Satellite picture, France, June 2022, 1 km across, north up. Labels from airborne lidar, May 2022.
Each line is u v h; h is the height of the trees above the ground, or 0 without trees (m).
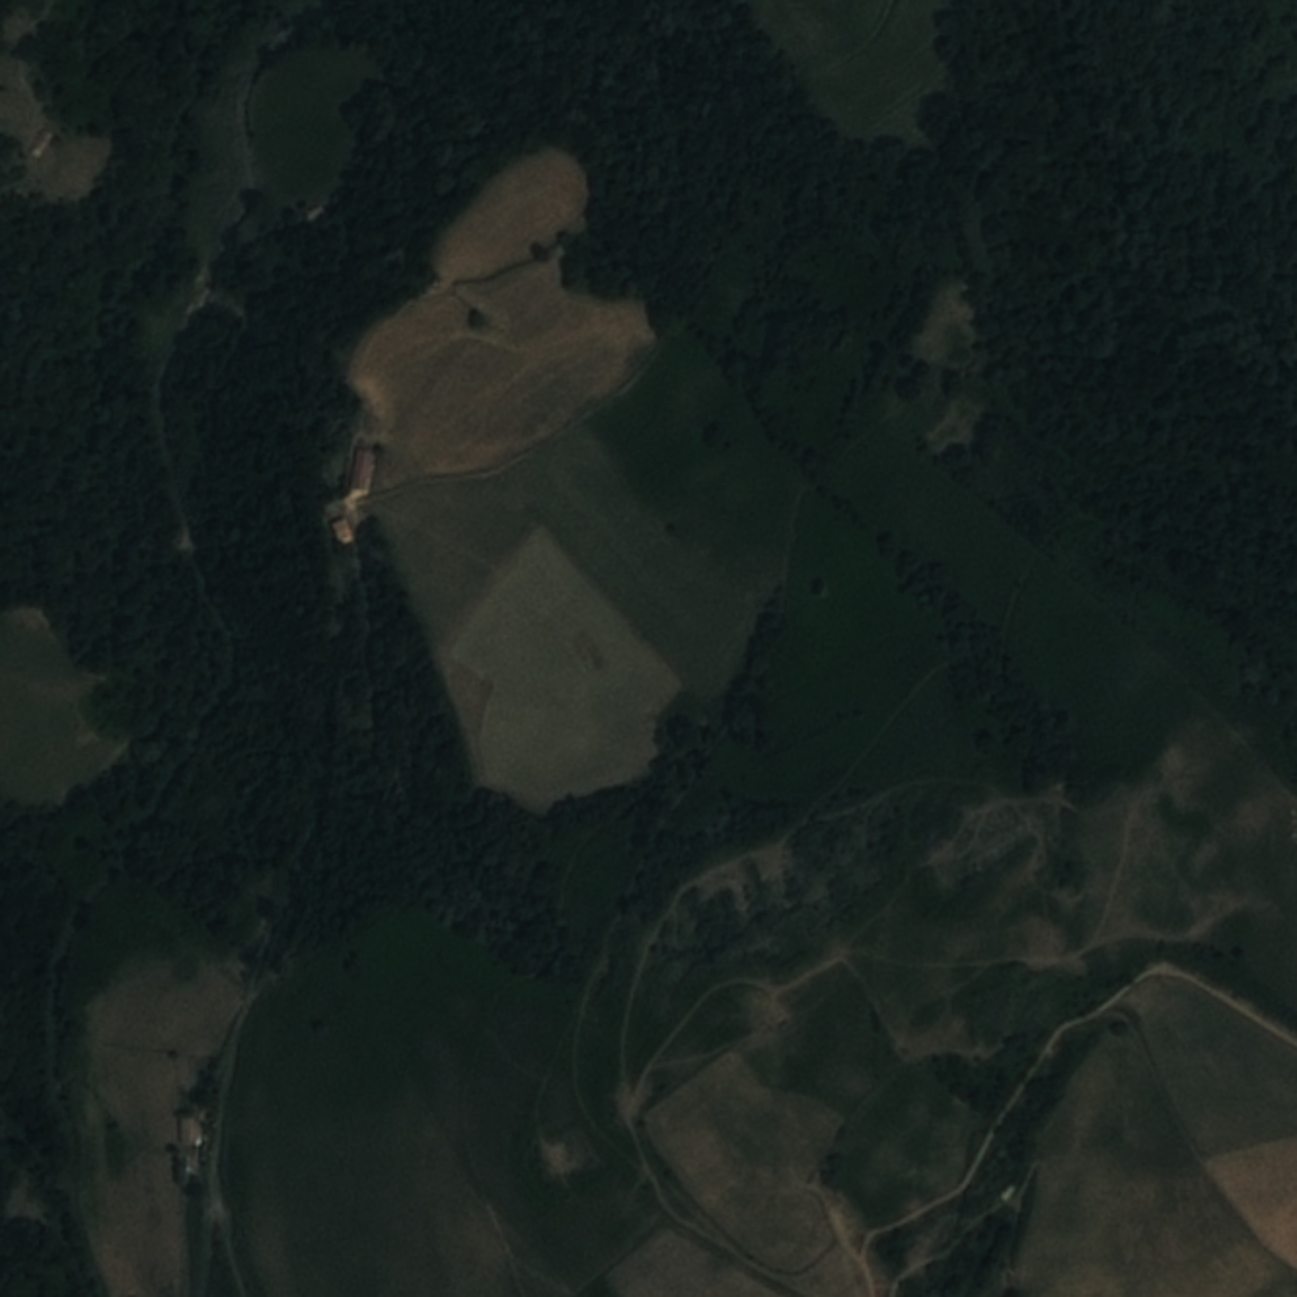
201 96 12
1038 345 29
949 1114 0
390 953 0
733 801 11
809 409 0
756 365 18
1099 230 11
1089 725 0
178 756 16
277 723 15
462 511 0
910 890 0
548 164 0
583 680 0
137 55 22
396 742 21
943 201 11
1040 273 14
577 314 0
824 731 0
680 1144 0
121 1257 0
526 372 0
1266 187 8
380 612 14
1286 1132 0
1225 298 36
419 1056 0
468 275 0
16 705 0
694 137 13
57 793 0
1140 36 14
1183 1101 0
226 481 25
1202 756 0
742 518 0
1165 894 0
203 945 0
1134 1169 0
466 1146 0
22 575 16
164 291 16
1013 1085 8
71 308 16
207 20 38
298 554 16
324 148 0
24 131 0
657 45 9
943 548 0
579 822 14
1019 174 20
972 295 10
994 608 0
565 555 0
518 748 0
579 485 0
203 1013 0
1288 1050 0
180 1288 0
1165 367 28
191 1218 0
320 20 24
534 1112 0
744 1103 0
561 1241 0
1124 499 11
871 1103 0
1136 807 0
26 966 18
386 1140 0
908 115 0
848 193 8
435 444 0
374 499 0
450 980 0
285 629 22
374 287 22
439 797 9
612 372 0
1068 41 10
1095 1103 0
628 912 16
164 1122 0
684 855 9
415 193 19
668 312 16
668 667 0
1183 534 13
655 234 21
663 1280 0
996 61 18
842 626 0
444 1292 0
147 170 13
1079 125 21
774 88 10
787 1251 0
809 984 0
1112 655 0
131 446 15
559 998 0
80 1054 0
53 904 27
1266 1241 0
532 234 0
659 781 7
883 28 0
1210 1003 0
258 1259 0
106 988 0
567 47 19
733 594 0
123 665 15
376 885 17
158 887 13
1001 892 0
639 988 0
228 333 15
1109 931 0
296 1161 0
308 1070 0
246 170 0
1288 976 0
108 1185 0
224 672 13
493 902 21
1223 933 0
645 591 0
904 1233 7
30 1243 11
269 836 14
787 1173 0
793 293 10
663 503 0
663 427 0
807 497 0
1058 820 0
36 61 19
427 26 25
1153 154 12
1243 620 21
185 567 11
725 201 10
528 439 0
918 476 0
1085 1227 0
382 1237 0
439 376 0
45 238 19
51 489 28
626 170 21
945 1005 0
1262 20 7
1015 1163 12
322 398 21
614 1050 0
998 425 13
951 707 0
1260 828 0
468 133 14
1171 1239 0
